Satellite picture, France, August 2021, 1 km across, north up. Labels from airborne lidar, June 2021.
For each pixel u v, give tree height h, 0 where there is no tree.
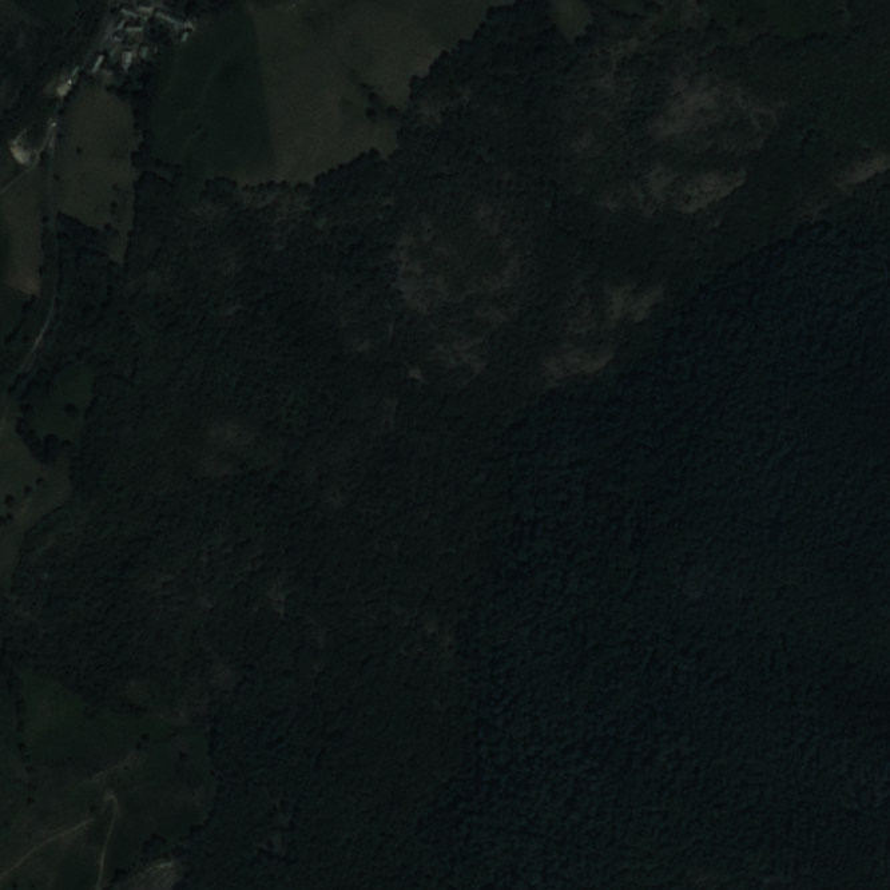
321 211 23
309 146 0
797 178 23
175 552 6
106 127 0
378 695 16
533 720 24
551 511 23
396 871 19
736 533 17
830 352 23
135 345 10
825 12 0
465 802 21
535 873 19
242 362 8
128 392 6
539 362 13
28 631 9
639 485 20
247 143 0
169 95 0
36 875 0
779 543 19
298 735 30
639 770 20
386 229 17
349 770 27
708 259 24
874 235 15
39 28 0
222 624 16
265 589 6
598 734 26
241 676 13
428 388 15
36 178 0
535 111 32
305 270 21
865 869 17
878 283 13
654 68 16
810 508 18
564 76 7
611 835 16
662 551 23
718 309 28
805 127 24
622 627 21
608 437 28
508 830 14
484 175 18
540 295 12
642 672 18
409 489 11
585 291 6
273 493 19
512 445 29
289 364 8
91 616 7
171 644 7
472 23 0
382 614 8
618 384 28
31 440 19
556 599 23
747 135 8
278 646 16
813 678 30
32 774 10
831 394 24
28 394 15
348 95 0
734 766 20
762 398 21
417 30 0
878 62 11
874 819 18
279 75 0
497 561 21
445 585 14
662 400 24
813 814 22
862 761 10
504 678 16
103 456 10
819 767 12
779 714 22
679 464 22
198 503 8
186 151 0
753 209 25
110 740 0
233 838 21
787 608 22
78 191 0
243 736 21
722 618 21
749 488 14
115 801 0
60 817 0
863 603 20
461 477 13
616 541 25
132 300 13
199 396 7
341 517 16
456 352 10
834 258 17
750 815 22
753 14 0
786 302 17
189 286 10
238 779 17
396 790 27
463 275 10
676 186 6
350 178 10
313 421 9
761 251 24
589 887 16
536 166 27
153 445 8
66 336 9
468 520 12
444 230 8
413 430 12
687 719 22
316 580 9
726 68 14
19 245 0
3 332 0
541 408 28
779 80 7
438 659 12
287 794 18
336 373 14
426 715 15
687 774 21
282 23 0
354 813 21
